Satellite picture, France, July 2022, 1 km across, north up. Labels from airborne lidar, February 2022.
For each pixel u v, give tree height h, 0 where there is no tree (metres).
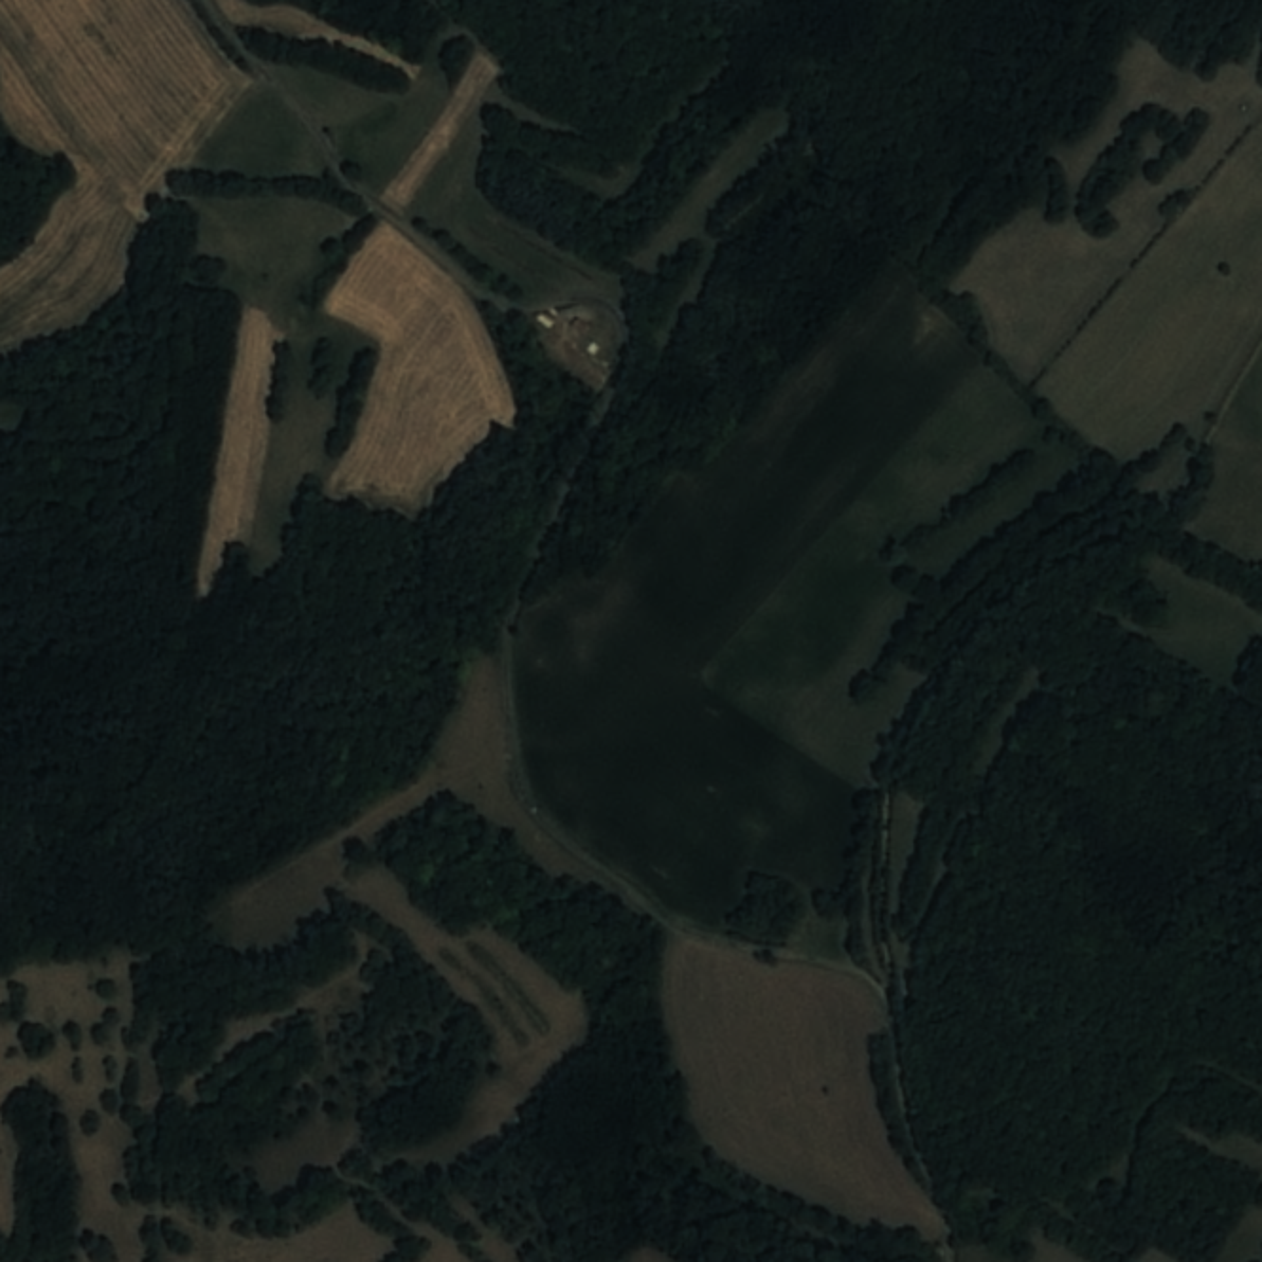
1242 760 24
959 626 7
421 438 0
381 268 0
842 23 23
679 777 0
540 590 12
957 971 15
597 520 22
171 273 13
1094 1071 17
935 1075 18
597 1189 15
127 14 0
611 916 25
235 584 18
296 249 0
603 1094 20
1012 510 0
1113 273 0
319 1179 20
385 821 0
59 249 0
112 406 10
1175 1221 15
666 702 0
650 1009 16
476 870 25
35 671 17
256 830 18
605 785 0
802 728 0
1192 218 0
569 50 18
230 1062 14
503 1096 0
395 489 0
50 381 15
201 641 13
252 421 0
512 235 0
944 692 18
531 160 15
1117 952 13
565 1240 24
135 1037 9
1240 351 0
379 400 0
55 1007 0
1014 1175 17
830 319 20
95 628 21
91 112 0
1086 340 0
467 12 17
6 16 0
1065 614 20
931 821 13
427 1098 20
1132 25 14
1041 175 7
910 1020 16
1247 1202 15
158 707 17
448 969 0
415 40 17
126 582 22
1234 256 0
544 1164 22
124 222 0
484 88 0
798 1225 17
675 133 15
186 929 24
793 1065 0
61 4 0
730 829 0
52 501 9
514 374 12
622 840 0
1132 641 23
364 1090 14
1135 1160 11
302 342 0
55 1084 0
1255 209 0
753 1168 0
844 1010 0
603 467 25
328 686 20
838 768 0
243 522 0
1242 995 20
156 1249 6
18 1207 6
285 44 15
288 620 17
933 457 0
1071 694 19
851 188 21
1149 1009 16
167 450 22
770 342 20
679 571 0
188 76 0
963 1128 16
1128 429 0
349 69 16
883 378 0
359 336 0
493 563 19
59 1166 7
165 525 20
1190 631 0
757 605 0
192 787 19
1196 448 15
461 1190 12
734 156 0
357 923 19
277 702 17
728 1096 0
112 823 18
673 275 16
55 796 22
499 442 18
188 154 0
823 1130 0
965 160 20
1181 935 20
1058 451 0
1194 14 9
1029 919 14
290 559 14
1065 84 22
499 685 0
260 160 0
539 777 0
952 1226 15
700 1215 20
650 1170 14
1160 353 0
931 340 0
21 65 0
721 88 10
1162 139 9
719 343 24
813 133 18
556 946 21
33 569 22
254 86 0
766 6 17
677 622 0
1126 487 20
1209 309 0
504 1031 0
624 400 16
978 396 0
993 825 14
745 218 0
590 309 0
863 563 0
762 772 0
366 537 19
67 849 24
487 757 0
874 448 0
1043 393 0
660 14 19
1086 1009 18
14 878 26
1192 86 0
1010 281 0
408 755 20
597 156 18
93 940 19
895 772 16
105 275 0
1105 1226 13
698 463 18
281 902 0
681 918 0
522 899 22
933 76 20
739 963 0
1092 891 14
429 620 23
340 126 0
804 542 0
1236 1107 20
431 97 0
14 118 0
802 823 0
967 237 20
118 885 22
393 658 22
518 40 18
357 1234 0
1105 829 15
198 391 12
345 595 16
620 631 0
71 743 25
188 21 0
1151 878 13
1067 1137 17
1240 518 0
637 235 23
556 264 0
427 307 0
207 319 12
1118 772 20
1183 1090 15
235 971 25
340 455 9
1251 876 25
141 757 10
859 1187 0
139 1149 8
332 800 17
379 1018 13
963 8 26
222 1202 7
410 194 0
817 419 0
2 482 22
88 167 0
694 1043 0
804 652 0
